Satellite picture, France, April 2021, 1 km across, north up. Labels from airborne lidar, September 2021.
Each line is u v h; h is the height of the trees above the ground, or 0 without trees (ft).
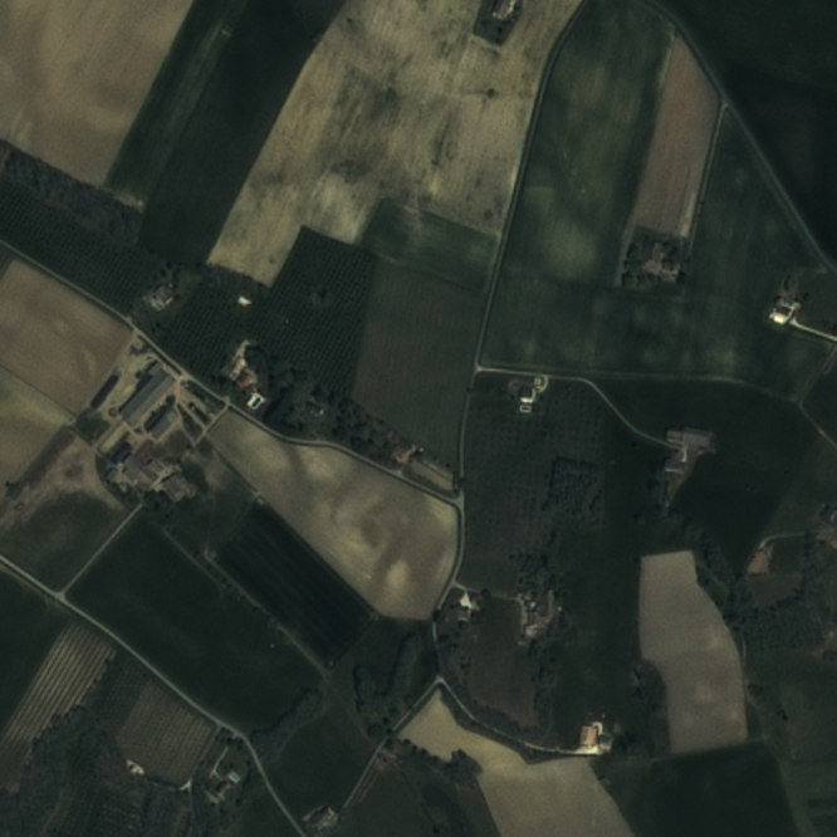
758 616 33
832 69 0
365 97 0
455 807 0
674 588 0
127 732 0
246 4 0
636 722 0
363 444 37
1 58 0
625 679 0
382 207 0
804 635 50
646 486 0
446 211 0
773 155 0
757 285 0
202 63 0
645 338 0
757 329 0
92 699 44
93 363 0
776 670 0
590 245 0
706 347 0
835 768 0
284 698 0
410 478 28
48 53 0
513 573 0
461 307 0
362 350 0
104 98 0
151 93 0
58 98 0
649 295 0
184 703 0
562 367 0
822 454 0
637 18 0
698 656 0
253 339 18
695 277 0
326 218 0
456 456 0
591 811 0
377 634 0
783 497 0
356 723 0
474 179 0
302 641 0
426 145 0
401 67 0
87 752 64
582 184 0
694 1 0
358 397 0
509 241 0
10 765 0
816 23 0
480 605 23
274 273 0
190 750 0
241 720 0
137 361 0
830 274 0
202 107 0
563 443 30
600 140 0
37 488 0
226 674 0
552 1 0
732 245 0
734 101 0
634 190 0
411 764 0
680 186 0
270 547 0
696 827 0
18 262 0
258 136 0
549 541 33
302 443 0
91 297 0
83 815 0
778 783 0
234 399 24
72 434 0
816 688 0
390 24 0
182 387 0
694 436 0
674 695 0
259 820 0
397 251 0
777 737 0
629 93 0
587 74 0
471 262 0
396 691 51
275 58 0
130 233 52
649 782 0
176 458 0
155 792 64
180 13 0
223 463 0
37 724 0
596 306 0
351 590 0
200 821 47
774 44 0
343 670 0
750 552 0
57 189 72
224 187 0
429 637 0
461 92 0
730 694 0
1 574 0
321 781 0
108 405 0
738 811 0
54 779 50
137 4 0
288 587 0
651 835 0
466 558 0
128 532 0
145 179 0
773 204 0
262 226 0
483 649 0
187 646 0
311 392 23
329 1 0
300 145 0
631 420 0
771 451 0
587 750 0
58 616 0
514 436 28
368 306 0
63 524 0
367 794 0
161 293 0
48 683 0
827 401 0
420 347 0
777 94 0
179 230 0
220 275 58
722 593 0
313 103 0
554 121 0
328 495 0
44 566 0
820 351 0
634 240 0
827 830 0
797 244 0
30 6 0
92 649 0
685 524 31
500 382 0
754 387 0
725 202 0
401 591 0
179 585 0
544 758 27
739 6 0
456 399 0
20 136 0
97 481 0
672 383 0
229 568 0
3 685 0
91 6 0
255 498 0
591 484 25
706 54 0
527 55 0
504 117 0
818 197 0
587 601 0
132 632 0
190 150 0
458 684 36
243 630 0
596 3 0
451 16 0
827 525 0
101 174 0
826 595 54
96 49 0
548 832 0
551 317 0
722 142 0
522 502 26
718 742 0
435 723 0
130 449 0
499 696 0
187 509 0
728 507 0
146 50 0
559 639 48
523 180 0
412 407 0
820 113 0
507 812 0
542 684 47
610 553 0
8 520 0
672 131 0
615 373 0
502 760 0
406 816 0
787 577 0
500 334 0
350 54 0
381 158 0
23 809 53
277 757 66
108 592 0
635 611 0
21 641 0
